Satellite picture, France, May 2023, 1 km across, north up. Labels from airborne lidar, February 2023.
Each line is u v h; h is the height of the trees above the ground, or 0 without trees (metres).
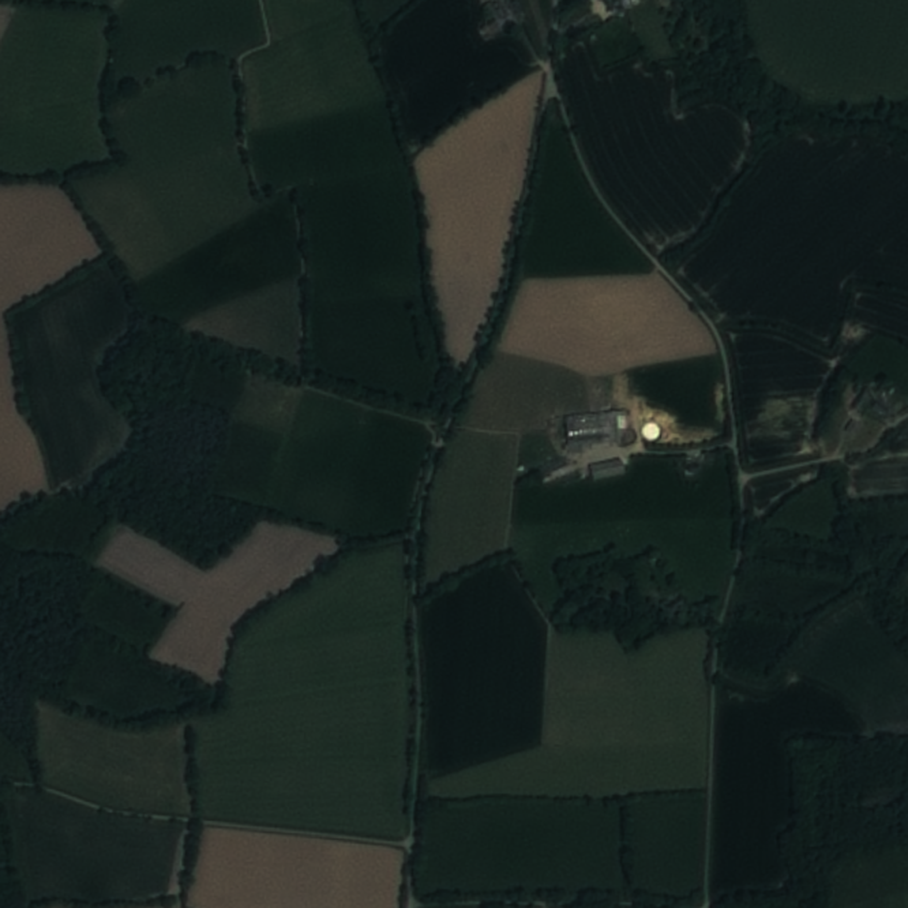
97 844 0
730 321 0
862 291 0
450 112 0
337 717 0
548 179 0
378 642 0
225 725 0
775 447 0
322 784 0
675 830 0
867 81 0
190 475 15
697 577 0
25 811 0
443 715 0
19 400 12
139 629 0
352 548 12
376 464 0
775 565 8
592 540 0
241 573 0
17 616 15
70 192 11
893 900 0
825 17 0
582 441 0
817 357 0
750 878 0
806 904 15
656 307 0
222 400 0
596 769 0
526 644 0
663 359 0
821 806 26
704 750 0
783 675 0
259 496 0
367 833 0
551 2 0
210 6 0
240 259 0
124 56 0
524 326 0
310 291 13
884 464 0
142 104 0
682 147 0
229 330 0
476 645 0
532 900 8
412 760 9
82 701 0
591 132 0
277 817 0
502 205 0
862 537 14
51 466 0
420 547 14
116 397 17
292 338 0
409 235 0
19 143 0
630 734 0
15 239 0
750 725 0
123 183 0
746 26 9
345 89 0
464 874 0
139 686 0
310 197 0
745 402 0
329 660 0
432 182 0
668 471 0
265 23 0
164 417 18
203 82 0
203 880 0
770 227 0
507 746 0
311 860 0
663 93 0
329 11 0
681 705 0
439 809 12
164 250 0
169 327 16
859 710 0
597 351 0
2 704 15
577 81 0
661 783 0
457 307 0
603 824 0
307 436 0
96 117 0
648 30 0
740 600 0
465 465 0
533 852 0
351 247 0
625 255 0
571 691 0
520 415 0
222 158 0
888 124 14
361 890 0
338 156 0
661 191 0
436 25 0
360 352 0
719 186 0
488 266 0
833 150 0
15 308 8
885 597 17
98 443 0
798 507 0
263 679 0
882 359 0
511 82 0
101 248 14
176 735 0
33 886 0
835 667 0
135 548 0
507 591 0
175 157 0
